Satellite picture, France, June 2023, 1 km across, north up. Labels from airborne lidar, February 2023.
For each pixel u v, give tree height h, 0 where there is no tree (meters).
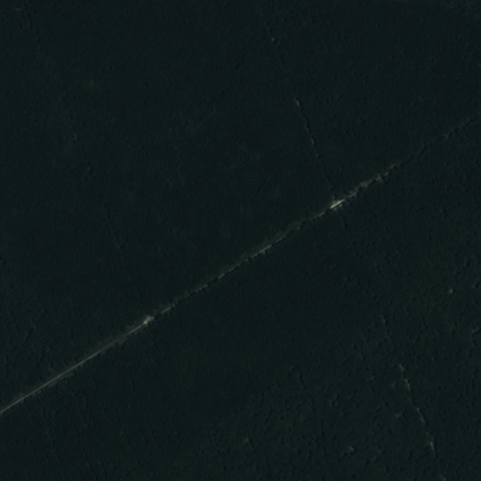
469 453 26
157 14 23
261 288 22
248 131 22
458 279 25
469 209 26
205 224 21
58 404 14
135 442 14
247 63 22
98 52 22
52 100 21
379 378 20
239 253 22
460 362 29
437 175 27
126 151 20
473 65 15
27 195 23
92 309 25
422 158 25
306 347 25
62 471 15
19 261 20
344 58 19
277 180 22
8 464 17
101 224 20
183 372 18
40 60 27
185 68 24
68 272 23
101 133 22
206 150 19
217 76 21
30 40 24
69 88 26
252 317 24
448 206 25
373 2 23
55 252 22
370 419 27
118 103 23
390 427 27
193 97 20
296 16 23
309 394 22
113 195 22
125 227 21
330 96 24
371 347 26
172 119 28
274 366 20
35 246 22
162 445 16
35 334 27
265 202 21
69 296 24
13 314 16
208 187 20
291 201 21
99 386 15
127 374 18
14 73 26
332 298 23
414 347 24
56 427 13
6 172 21
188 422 18
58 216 19
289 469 22
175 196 19
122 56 26
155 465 21
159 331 20
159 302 22
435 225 26
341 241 25
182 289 23
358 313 25
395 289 25
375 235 23
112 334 21
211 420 17
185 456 23
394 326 26
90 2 23
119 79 26
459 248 25
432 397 23
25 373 24
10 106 24
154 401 17
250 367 20
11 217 22
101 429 17
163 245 18
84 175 16
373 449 29
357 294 24
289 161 23
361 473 27
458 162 28
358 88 20
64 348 25
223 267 21
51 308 21
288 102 26
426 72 18
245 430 22
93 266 19
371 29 18
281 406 25
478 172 27
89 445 15
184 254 23
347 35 19
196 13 24
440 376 27
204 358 20
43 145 22
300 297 22
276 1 25
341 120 22
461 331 27
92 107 18
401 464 28
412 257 23
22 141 23
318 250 21
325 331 22
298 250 21
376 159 24
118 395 16
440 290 24
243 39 20
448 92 18
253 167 22
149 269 21
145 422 16
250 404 21
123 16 23
